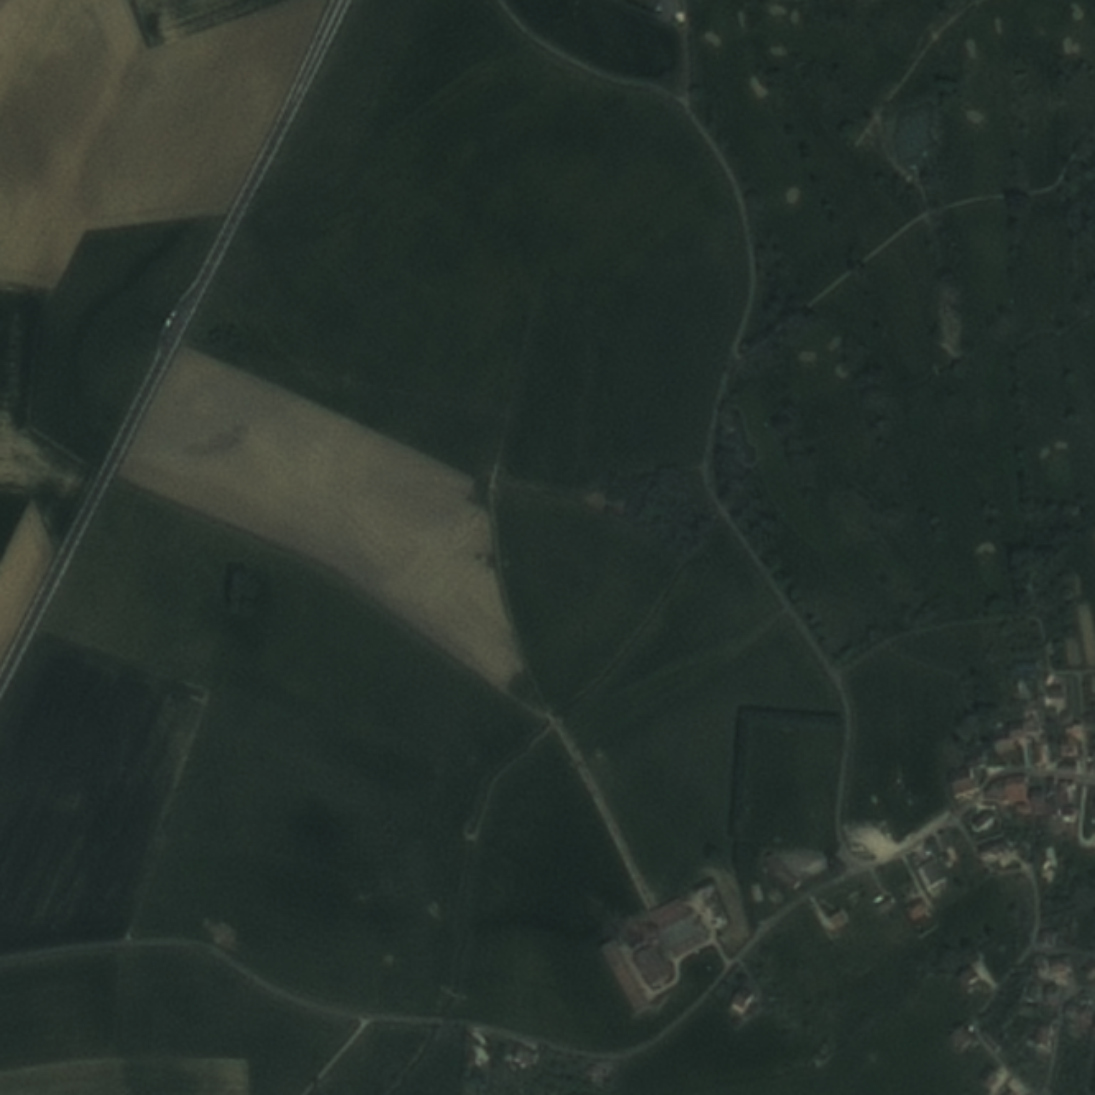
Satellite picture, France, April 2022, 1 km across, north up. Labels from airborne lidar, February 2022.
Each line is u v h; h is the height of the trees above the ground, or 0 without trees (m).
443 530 0
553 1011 0
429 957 0
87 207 0
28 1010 0
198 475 0
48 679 0
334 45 0
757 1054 0
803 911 0
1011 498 0
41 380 0
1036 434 0
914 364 0
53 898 0
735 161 12
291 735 0
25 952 0
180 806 0
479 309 0
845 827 0
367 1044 0
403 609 0
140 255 0
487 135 0
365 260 0
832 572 0
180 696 0
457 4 0
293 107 0
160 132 0
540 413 0
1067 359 0
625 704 0
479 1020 0
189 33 0
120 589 0
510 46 0
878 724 0
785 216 0
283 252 0
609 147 0
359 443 0
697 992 0
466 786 0
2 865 0
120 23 0
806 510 0
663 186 0
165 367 0
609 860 0
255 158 0
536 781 0
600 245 0
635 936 0
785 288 0
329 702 0
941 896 0
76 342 0
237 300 0
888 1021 0
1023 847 0
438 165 0
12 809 0
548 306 0
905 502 0
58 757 0
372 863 0
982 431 0
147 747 0
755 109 0
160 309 0
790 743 0
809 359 0
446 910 0
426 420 0
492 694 0
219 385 0
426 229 0
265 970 0
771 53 0
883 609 0
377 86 0
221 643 0
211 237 0
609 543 0
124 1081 0
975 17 0
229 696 0
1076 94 0
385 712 0
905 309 0
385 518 0
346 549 0
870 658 0
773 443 0
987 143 0
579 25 0
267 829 0
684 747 0
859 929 0
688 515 6
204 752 0
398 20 0
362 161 0
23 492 0
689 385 0
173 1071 0
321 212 0
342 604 0
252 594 23
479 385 0
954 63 0
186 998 0
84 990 0
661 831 0
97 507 0
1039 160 0
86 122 0
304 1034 0
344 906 0
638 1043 0
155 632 0
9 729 0
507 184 0
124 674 0
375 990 0
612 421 0
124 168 0
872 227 0
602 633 0
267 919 0
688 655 0
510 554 0
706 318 0
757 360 16
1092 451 0
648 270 0
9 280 0
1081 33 0
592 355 0
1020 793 0
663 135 0
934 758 0
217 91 0
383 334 0
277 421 0
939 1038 0
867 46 0
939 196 0
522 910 0
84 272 0
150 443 0
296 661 0
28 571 0
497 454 0
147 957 0
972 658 0
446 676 0
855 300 0
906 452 0
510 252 0
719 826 0
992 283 0
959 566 0
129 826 0
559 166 0
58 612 0
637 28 0
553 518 0
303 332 0
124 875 0
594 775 0
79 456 0
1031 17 0
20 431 0
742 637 0
